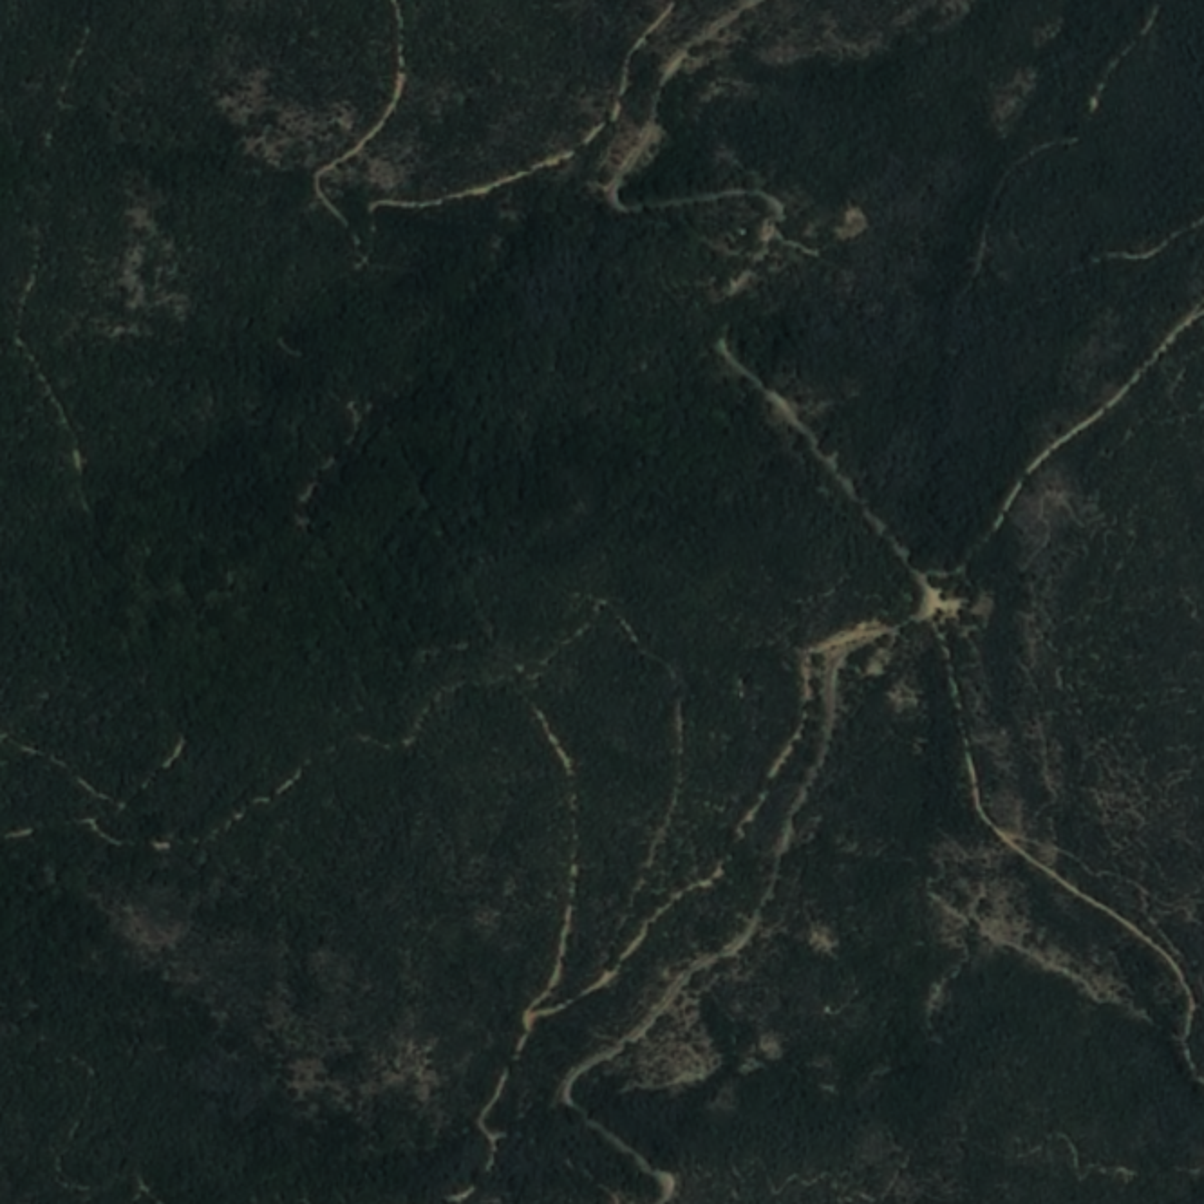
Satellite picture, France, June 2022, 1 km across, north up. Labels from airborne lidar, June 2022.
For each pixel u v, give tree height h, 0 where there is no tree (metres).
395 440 14
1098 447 9
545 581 8
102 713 9
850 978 10
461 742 10
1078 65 10
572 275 12
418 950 7
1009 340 10
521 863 7
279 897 7
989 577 7
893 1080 8
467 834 9
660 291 10
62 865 7
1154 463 7
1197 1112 8
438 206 8
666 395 7
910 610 7
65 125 12
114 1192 9
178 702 7
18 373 10
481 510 9
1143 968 6
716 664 10
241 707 10
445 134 10
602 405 11
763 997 6
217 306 10
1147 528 8
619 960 8
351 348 11
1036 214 7
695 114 10
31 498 8
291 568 17
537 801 10
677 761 9
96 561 11
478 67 10
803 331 9
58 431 10
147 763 10
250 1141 10
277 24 7
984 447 10
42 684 8
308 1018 6
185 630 15
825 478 7
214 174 8
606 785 8
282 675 12
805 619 6
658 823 7
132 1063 10
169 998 7
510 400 9
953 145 10
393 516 15
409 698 8
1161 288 6
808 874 10
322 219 7
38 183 12
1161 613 6
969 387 7
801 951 10
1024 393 9
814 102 9
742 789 12
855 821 7
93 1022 9
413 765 11
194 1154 7
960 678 7
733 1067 7
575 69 7
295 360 8
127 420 8
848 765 9
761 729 7
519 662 12
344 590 14
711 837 7
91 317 7
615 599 9
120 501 15
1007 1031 8
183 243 9
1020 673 7
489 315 10
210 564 19
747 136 8
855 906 8
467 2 8
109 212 8
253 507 16
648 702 6
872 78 10
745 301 8
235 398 11
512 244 7
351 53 9
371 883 10
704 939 9
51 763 12
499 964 7
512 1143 7
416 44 9
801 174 9
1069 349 7
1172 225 8
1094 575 7
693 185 10
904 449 13
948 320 10
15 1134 6
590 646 8
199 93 12
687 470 8
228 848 10
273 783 7
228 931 8
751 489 10
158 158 13
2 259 11
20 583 7
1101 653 6
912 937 8
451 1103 6
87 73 10
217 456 16
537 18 9
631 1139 6
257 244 15
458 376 13
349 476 16
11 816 12
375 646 9
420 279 9
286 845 9
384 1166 9
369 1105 6
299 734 7
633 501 9
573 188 12
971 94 6
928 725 9
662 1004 0
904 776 6
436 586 13
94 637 13
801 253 7
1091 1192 7
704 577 6
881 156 7
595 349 13
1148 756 8
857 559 9
